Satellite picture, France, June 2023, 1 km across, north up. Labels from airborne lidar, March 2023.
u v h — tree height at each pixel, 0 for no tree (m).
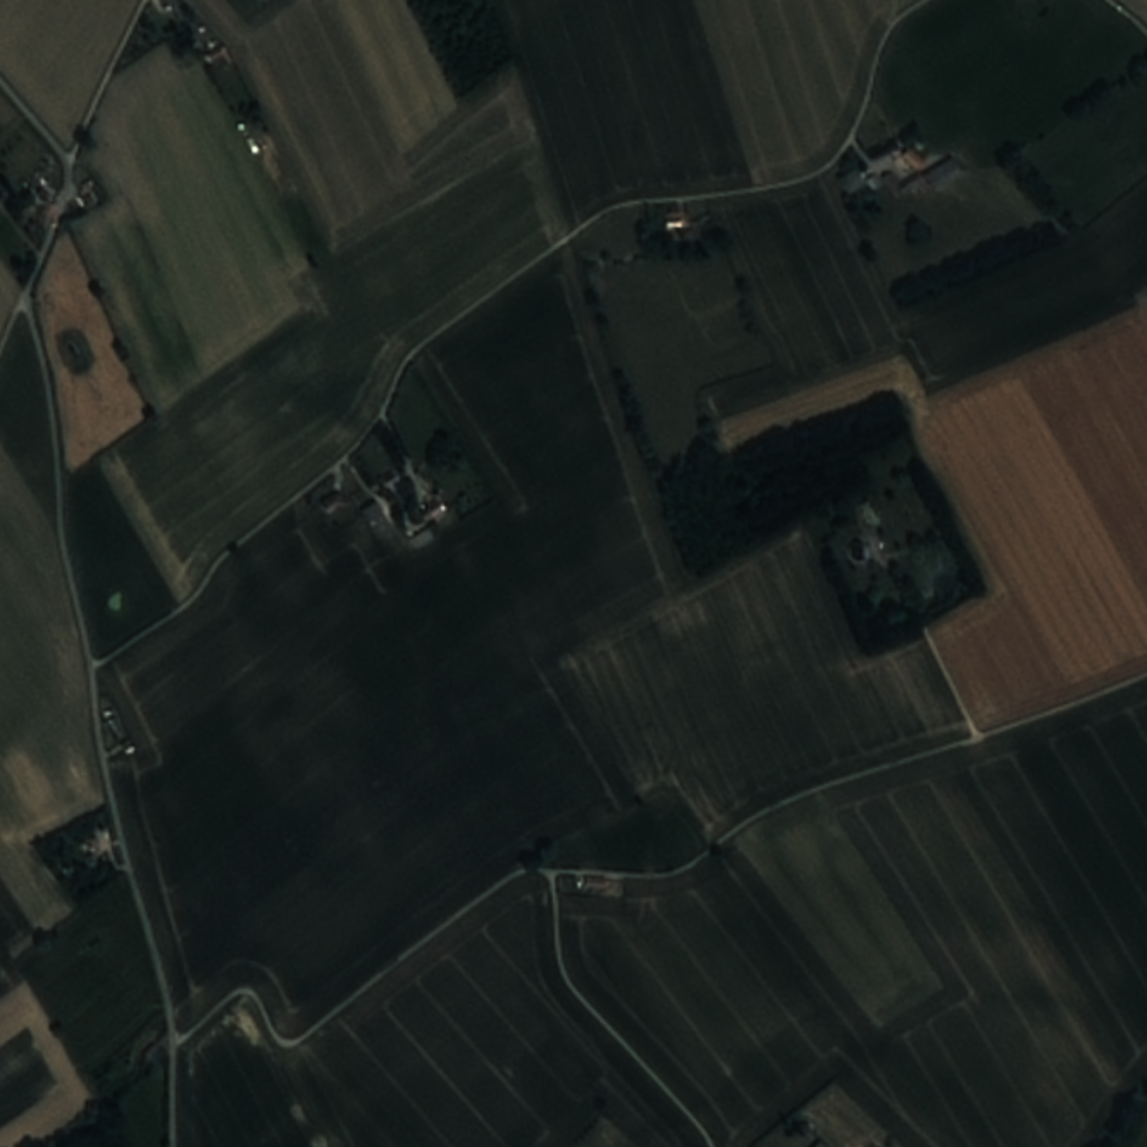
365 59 0
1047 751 0
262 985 0
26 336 0
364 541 0
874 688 0
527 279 0
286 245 0
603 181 0
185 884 0
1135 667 0
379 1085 0
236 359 0
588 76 0
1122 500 0
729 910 0
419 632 0
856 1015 0
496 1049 0
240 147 0
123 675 0
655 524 0
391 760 0
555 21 0
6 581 0
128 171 0
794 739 0
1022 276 0
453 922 0
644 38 0
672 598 0
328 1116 0
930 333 0
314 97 0
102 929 0
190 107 0
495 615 0
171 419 0
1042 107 0
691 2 0
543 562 0
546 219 0
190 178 0
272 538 0
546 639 0
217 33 0
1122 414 0
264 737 0
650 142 0
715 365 0
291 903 0
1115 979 0
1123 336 0
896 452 0
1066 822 0
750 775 0
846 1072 0
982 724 0
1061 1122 0
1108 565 0
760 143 0
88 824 8
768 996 0
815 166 0
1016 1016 0
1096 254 0
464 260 0
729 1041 0
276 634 0
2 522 0
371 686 0
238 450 0
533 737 0
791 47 0
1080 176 0
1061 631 0
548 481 0
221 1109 0
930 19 0
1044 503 0
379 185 0
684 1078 0
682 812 0
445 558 0
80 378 0
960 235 0
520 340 0
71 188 0
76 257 0
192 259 0
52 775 0
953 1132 0
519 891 0
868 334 0
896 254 0
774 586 0
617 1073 0
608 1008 0
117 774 0
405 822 0
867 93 0
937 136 0
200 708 0
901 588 9
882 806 0
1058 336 0
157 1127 0
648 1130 0
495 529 0
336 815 0
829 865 0
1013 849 0
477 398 0
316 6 0
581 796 0
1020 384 0
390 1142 0
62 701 0
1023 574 0
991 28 0
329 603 0
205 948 0
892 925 0
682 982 0
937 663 0
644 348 0
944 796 0
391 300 0
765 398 0
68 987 0
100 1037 0
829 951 0
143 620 0
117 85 0
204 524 0
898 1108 0
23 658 0
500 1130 0
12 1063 0
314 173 0
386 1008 0
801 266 0
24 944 0
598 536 0
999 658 0
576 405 0
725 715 0
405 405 0
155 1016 0
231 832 0
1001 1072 0
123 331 0
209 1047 0
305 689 0
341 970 0
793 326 0
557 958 0
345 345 0
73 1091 0
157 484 0
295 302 0
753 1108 0
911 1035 0
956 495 0
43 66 0
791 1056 0
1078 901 0
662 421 0
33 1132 0
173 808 0
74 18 0
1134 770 0
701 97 0
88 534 0
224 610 0
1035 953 0
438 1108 0
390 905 0
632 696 0
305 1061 0
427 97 0
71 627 0
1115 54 0
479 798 0
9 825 0
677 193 0
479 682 0
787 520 13
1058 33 0
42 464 0
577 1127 0
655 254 16
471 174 0
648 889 0
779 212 0
